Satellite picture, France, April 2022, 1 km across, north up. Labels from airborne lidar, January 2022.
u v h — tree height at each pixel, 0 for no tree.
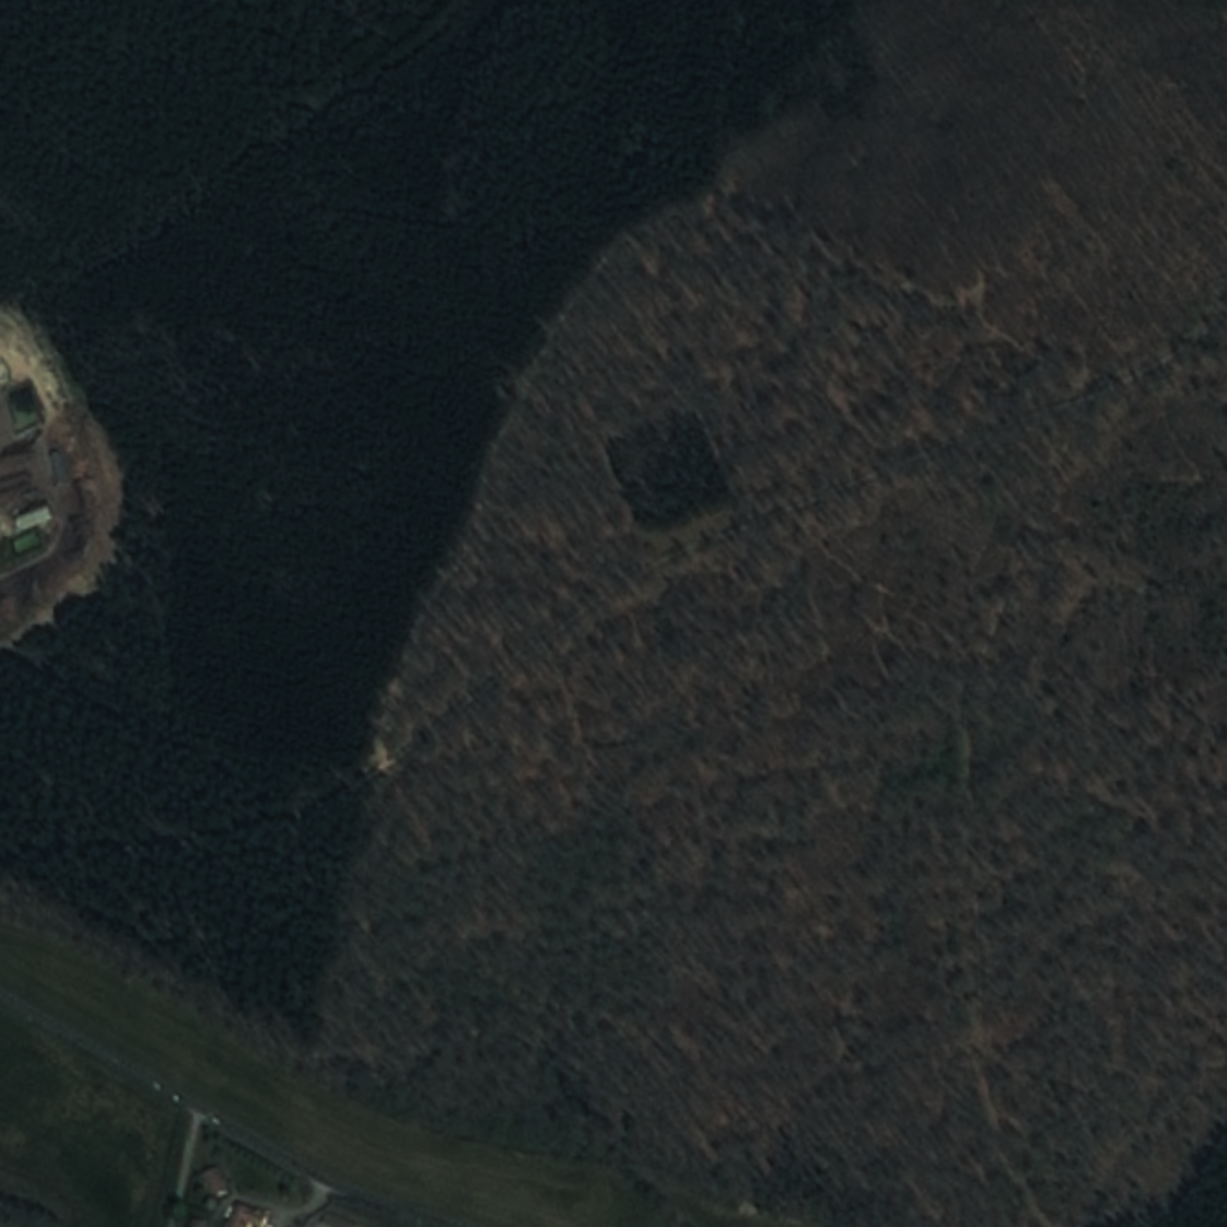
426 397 25
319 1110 0
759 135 19
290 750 22
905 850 28
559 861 29
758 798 30
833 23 20
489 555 29
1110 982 24
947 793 29
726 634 28
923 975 24
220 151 33
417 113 19
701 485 21
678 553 0
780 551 27
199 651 26
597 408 24
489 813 21
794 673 26
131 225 26
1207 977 26
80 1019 0
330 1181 0
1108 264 0
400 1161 0
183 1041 0
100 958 23
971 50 14
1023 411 27
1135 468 8
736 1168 25
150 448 20
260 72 18
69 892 34
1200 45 14
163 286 20
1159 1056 27
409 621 15
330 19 29
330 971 27
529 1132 25
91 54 26
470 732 31
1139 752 27
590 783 26
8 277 21
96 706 24
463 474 21
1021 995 24
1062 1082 23
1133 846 23
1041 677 26
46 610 0
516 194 26
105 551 0
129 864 29
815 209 12
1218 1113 21
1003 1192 28
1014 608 29
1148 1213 19
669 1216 18
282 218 24
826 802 26
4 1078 0
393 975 27
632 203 25
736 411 29
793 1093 26
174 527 18
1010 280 0
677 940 30
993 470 26
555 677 24
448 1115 27
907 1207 24
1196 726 27
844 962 25
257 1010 34
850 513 30
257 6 29
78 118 27
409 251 17
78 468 0
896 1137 27
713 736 26
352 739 20
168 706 31
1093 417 27
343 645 20
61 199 24
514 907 28
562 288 23
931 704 25
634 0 20
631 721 29
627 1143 20
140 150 26
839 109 14
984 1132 27
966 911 25
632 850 25
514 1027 29
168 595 31
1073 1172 25
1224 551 19
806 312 0
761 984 23
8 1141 0
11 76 32
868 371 25
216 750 29
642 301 30
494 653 26
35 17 31
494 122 26
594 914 28
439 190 17
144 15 26
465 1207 0
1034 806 28
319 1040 31
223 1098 0
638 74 23
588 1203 0
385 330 22
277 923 34
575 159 26
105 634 33
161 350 19
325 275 22
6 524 0
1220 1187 25
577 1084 27
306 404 19
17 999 0
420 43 20
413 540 18
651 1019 27
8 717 30
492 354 22
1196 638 9
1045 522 26
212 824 29
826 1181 24
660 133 23
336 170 13
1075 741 27
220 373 19
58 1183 0
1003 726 25
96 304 17
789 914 31
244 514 17
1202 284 0
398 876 29
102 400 20
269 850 27
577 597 29
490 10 15
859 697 28
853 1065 6
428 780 25
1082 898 22
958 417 31
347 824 24
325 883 32
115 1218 0
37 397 0
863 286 26
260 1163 11
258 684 25
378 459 21
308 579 19
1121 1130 29
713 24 21
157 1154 0
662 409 22
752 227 27
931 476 30
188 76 31
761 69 19
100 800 34
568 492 29
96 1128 0
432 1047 30
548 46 29
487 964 29
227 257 21
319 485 17
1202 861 27
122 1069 0
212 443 18
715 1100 26
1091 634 0
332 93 23
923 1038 23
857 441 29
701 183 24
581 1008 24
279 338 21
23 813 30
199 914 26
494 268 24
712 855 33
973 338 27
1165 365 0
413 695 28
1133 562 26
